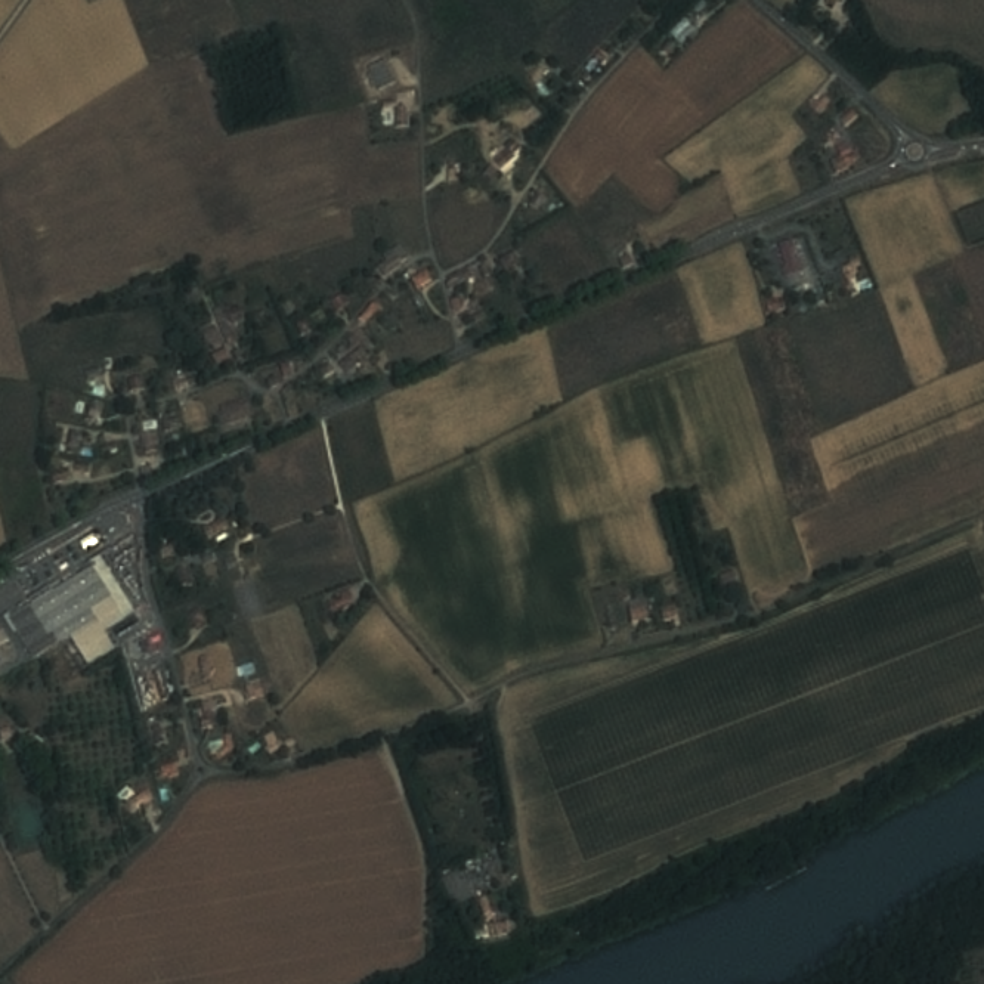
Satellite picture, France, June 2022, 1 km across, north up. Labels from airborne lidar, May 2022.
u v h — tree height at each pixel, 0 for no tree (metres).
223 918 0
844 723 0
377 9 0
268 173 0
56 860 11
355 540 0
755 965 0
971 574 0
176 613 0
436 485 0
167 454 10
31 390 0
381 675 0
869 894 0
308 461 0
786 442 0
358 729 0
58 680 0
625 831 0
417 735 10
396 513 0
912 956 18
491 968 15
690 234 0
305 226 0
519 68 0
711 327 0
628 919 15
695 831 0
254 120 8
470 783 0
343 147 0
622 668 0
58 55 0
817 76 0
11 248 0
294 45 0
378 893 0
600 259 0
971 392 0
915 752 13
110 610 0
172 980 0
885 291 0
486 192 0
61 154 0
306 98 0
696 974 0
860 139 0
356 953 0
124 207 0
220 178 0
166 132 0
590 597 0
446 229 0
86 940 0
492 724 9
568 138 0
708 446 0
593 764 0
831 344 0
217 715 7
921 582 0
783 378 0
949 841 0
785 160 0
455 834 0
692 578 10
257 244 0
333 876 0
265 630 0
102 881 0
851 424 0
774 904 0
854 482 0
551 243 0
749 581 0
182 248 0
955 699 0
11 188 0
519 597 0
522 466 0
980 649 0
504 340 23
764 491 0
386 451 0
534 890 0
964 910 10
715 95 0
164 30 0
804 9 17
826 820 14
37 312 0
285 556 0
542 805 0
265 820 0
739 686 0
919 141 0
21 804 0
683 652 0
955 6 0
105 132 0
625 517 0
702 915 0
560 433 0
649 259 20
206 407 0
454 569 0
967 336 0
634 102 0
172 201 0
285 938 0
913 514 0
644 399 0
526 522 0
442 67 0
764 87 0
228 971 0
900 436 0
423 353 0
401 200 0
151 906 0
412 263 0
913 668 0
